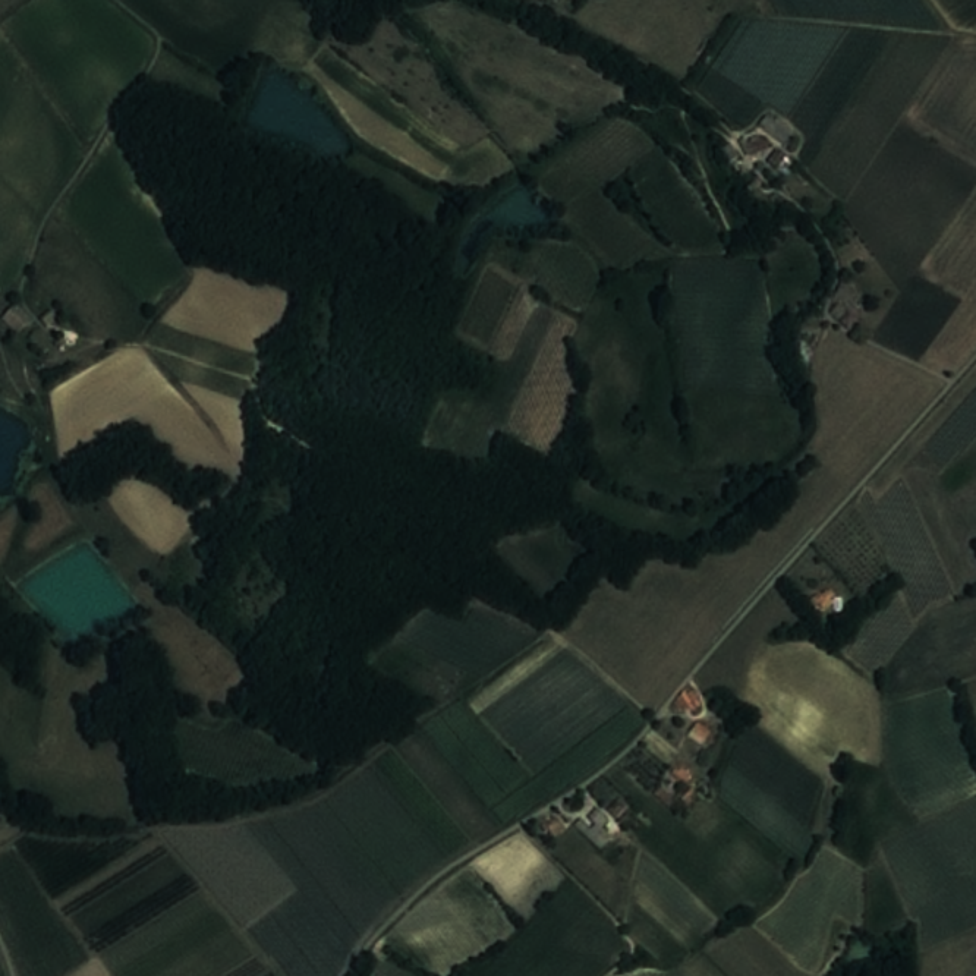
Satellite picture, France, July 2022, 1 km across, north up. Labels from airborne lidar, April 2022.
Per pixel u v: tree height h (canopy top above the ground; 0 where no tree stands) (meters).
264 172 20
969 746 16
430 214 0
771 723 0
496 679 0
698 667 0
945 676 0
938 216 0
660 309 19
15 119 0
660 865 0
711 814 0
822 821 0
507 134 0
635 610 0
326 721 18
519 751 0
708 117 14
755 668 0
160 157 17
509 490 16
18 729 0
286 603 12
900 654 0
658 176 0
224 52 0
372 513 17
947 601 0
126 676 21
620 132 0
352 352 11
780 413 0
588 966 0
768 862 0
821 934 0
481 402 0
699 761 6
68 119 0
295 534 18
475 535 17
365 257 25
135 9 0
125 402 0
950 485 0
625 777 0
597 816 0
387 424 12
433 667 0
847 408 0
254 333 0
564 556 0
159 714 17
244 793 11
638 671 0
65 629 0
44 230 0
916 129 0
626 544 16
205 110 20
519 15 12
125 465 18
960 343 0
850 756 13
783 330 19
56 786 0
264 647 16
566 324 0
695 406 0
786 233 9
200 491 15
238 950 0
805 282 0
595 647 0
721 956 0
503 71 0
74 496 15
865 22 0
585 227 0
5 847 0
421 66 0
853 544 0
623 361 0
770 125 0
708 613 0
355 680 12
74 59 0
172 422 0
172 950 0
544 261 0
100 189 0
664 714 0
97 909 0
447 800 0
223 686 0
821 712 0
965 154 0
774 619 0
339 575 14
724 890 0
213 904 0
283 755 0
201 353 0
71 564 0
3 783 20
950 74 0
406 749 0
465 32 0
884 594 13
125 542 0
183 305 0
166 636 0
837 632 18
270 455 11
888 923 0
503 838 0
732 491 15
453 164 0
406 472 12
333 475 18
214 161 22
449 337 12
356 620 10
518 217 0
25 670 18
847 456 0
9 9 0
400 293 22
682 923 0
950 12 0
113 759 0
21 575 0
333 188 27
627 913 0
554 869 0
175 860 0
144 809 17
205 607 14
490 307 0
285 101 0
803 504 0
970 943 0
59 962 0
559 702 0
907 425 0
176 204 14
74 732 0
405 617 6
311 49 0
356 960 14
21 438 0
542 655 0
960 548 0
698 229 0
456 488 17
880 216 0
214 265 19
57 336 15
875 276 0
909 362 0
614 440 0
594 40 10
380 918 0
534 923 0
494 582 19
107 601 0
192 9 0
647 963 10
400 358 14
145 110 20
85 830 17
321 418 11
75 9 0
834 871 0
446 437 0
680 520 0
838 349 0
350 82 0
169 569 0
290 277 19
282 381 8
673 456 0
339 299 16
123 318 0
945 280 0
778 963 0
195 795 17
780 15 0
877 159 0
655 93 22
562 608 15
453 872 0
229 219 17
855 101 0
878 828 0
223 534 14
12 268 0
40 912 0
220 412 0
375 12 17
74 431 0
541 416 0
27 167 0
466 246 0
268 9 0
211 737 0
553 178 0
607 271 10
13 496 0
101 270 0
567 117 0
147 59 0
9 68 0
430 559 18
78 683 0
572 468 16
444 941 0
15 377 0
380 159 7
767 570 0
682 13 0
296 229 27
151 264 0
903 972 24
